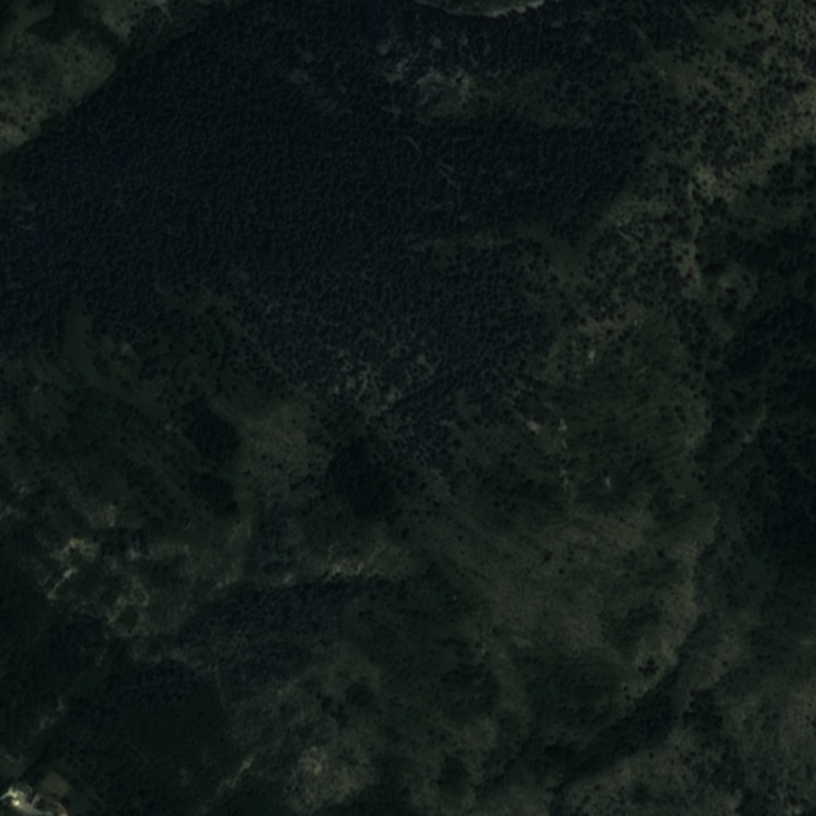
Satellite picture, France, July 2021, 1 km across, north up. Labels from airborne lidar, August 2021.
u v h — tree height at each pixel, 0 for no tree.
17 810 0
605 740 8
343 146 18
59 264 15
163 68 18
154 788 6
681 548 0
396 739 7
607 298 7
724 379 9
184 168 21
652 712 8
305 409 0
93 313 11
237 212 12
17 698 12
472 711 9
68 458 7
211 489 17
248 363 7
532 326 12
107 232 11
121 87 10
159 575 7
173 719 7
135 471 8
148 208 13
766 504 7
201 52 22
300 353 13
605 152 23
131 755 8
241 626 7
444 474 8
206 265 19
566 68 17
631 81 7
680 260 10
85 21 8
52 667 6
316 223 23
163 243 9
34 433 7
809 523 26
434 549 0
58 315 9
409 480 6
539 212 17
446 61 17
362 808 10
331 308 12
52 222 9
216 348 10
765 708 7
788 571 13
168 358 10
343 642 0
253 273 10
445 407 8
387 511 14
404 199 18
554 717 8
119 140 9
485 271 17
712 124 8
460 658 9
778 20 6
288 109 20
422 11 8
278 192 20
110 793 8
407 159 21
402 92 16
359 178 11
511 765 10
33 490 9
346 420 11
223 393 10
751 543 9
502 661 0
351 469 17
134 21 7
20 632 8
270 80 17
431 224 19
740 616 0
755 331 17
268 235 16
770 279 7
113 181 12
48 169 11
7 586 7
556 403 8
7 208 13
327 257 12
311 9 13
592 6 7
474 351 13
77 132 11
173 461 8
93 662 14
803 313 23
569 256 0
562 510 6
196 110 23
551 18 10
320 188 8
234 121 19
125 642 6
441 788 8
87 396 6
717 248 6
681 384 6
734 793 9
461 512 0
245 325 9
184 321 12
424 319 13
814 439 10
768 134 7
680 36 9
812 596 8
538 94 6
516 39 17
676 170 11
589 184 10
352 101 10
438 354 7
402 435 7
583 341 7
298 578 7
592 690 8
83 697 6
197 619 11
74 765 8
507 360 10
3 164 20
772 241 16
